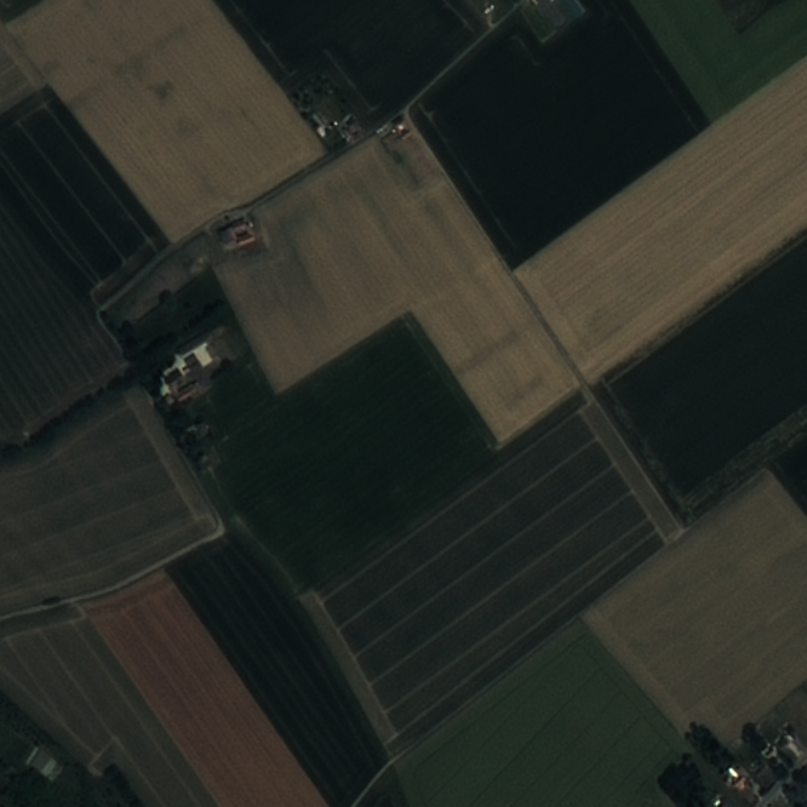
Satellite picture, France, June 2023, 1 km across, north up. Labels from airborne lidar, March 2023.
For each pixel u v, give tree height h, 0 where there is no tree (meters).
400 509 0
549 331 0
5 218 0
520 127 0
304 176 0
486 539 0
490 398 0
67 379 0
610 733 0
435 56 0
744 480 0
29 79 0
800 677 0
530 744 0
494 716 0
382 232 0
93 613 0
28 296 0
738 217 0
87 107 0
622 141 0
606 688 0
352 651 0
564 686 0
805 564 0
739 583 0
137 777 0
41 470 0
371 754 0
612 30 0
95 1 0
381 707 0
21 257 0
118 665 0
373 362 0
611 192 0
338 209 0
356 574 0
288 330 0
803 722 0
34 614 0
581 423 0
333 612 0
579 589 0
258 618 0
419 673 0
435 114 0
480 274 0
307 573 0
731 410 0
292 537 0
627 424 0
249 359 0
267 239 0
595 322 0
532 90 0
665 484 0
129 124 0
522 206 0
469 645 0
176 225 0
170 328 0
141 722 0
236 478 0
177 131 0
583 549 0
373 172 0
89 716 0
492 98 0
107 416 0
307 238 0
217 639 0
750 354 0
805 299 0
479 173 0
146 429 0
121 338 10
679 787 23
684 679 0
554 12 0
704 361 0
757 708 0
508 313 0
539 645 0
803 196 0
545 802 0
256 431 0
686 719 0
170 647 0
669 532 0
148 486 0
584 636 0
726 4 0
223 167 0
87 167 0
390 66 0
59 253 0
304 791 0
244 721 0
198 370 0
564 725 0
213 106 0
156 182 0
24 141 0
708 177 0
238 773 0
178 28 0
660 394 0
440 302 0
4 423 0
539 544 0
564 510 0
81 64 0
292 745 0
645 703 0
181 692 0
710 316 0
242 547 0
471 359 0
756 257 0
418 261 0
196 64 0
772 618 0
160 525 0
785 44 0
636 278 0
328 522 0
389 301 0
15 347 0
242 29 0
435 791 0
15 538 0
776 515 0
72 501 0
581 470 0
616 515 0
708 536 0
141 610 0
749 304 0
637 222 0
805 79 0
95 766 0
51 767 0
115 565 0
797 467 0
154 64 0
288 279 0
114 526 0
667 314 0
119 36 0
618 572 0
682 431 0
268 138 0
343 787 0
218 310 8
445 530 0
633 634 0
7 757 0
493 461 0
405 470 0
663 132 0
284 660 0
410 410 0
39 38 0
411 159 0
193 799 0
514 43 0
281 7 0
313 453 0
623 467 0
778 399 0
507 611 0
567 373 0
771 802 0
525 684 0
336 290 0
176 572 0
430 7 0
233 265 0
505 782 0
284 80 0
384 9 0
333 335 0
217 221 0
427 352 0
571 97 0
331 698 0
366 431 0
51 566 0
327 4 0
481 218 0
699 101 0
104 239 0
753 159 0
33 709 0
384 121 0
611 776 0
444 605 0
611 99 0
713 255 0
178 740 0
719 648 0
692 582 0
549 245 0
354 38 0
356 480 0
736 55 0
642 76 0
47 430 12
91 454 0
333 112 0
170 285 0
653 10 0
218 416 0
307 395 0
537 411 0
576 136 0
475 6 0
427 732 0
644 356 0
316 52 0
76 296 0
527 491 0
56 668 0
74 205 0
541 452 0
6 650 0
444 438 0
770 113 0
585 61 0
